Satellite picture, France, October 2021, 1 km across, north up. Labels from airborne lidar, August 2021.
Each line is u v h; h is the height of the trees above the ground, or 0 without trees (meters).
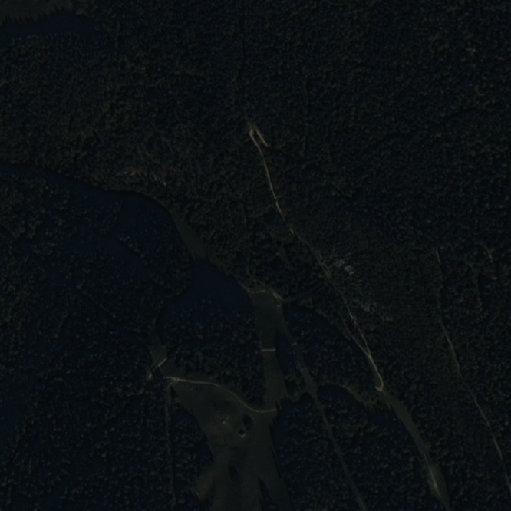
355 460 22
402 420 0
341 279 9
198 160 15
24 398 26
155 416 11
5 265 24
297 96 13
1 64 23
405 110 19
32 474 15
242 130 14
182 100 19
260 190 17
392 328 6
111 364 16
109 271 20
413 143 15
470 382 16
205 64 20
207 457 19
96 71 17
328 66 18
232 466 0
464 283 25
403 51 13
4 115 18
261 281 9
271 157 15
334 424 18
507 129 23
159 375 0
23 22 0
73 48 19
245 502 0
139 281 22
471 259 19
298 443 23
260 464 0
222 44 17
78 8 22
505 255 15
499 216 15
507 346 27
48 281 25
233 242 24
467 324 22
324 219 7
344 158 21
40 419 15
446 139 13
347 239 7
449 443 10
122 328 16
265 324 0
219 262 19
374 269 14
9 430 22
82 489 14
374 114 15
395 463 11
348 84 16
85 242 23
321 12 17
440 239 15
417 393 16
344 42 17
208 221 22
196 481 7
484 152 12
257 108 16
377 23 16
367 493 10
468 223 13
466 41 11
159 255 20
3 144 12
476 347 23
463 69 15
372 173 16
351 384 15
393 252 18
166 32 20
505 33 15
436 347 15
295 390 15
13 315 27
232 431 0
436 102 14
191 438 20
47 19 0
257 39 19
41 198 8
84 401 13
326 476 16
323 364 14
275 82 19
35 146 23
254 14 19
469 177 15
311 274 22
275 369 0
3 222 18
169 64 21
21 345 22
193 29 20
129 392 17
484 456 18
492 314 30
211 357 20
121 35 27
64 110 15
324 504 12
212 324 16
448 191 14
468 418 17
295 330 19
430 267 21
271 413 0
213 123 18
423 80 13
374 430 15
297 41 19
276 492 0
